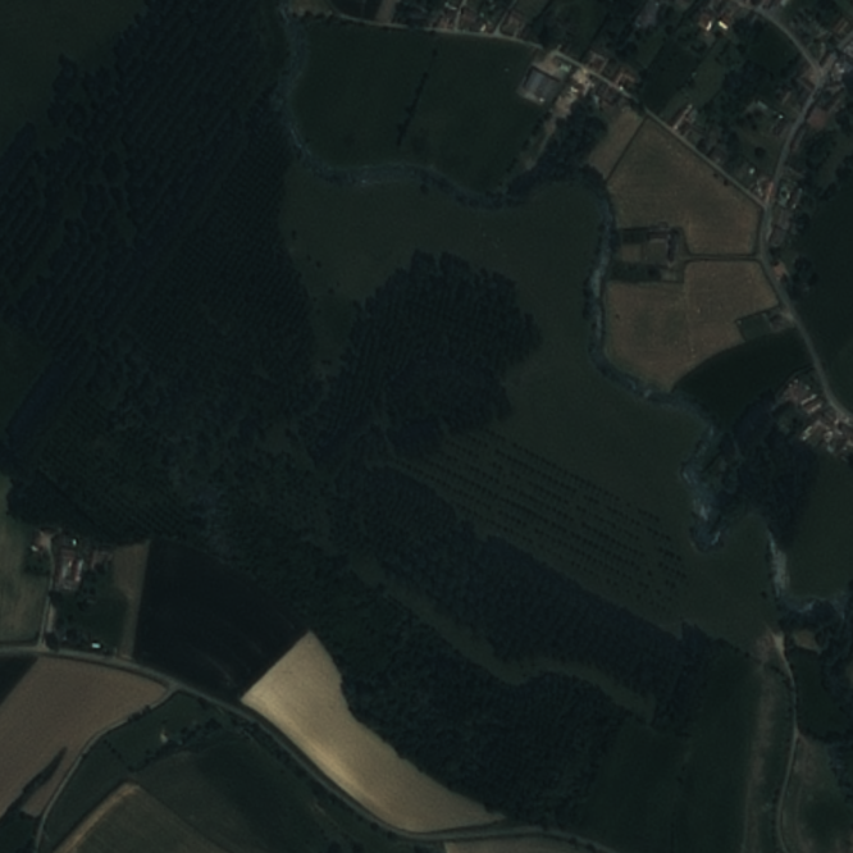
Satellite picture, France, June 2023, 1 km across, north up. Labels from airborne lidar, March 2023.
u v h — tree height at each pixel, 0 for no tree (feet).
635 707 0
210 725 20
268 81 0
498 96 0
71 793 0
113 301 114
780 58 0
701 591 0
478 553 93
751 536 0
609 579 0
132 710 0
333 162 0
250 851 0
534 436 0
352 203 0
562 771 56
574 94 0
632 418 0
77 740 0
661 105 0
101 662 0
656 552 0
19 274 96
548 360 0
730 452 50
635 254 0
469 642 0
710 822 0
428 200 0
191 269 75
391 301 71
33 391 0
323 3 0
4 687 0
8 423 0
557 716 45
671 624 0
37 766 0
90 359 105
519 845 0
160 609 0
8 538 0
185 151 105
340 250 0
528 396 0
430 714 39
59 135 0
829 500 0
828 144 34
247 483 59
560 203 0
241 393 72
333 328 0
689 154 0
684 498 0
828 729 0
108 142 90
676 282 0
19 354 0
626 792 0
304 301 74
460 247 0
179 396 94
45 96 0
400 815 0
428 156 0
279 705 0
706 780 0
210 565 0
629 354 0
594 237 0
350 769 0
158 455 18
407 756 34
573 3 0
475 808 0
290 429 0
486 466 0
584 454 0
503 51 0
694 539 21
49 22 0
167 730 0
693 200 0
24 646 0
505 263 0
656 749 0
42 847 0
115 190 0
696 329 0
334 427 65
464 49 0
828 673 39
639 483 0
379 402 99
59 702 0
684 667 68
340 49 0
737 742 0
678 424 0
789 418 0
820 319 0
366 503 64
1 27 0
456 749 57
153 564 0
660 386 0
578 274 0
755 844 0
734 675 0
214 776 0
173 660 0
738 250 0
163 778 0
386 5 0
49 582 0
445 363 110
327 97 0
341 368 0
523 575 119
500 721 25
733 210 0
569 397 0
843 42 0
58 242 0
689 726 32
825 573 0
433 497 81
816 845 0
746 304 0
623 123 0
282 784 0
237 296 76
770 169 0
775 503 120
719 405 0
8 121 0
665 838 0
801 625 33
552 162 70
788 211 0
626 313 0
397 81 0
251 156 80
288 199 0
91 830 0
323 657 0
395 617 31
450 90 0
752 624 0
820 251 0
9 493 0
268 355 67
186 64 112
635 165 0
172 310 84
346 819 0
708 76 0
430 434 109
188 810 0
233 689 0
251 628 0
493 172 0
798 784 0
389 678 26
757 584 0
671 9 22
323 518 0
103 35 0
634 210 0
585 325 0
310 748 0
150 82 102
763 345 0
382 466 0
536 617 110
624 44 32
